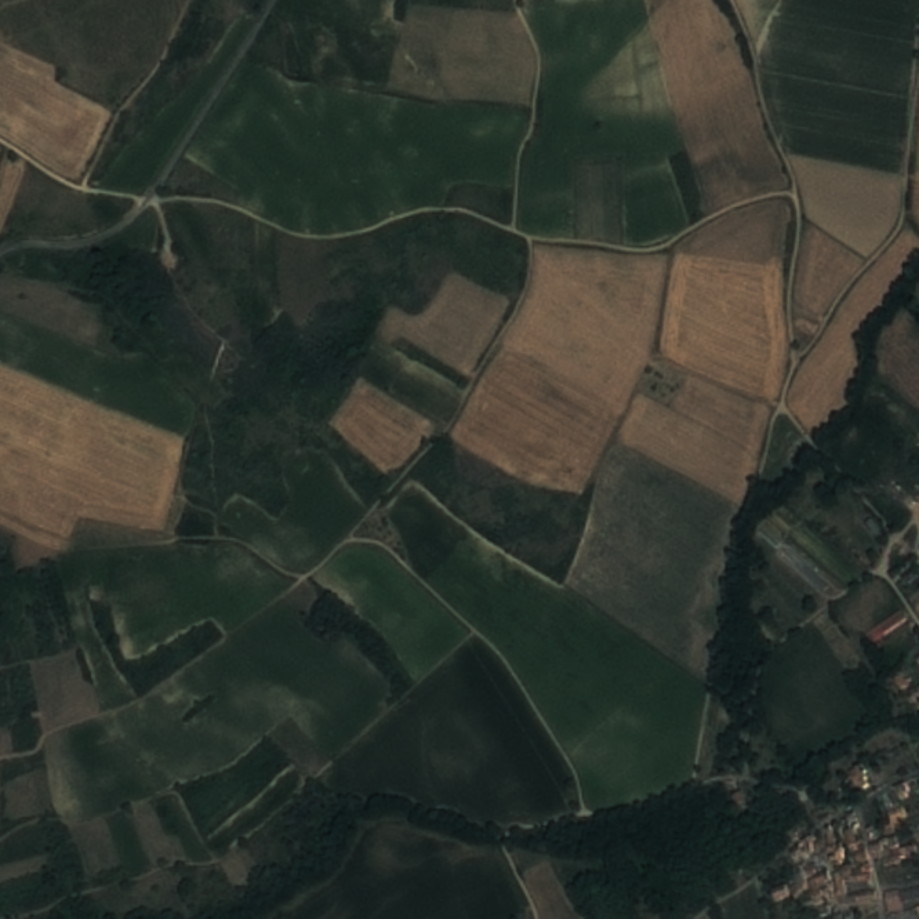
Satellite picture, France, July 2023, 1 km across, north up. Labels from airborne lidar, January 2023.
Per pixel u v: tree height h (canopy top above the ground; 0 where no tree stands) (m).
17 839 0
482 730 0
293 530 0
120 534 0
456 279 0
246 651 0
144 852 0
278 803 0
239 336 0
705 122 0
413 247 0
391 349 0
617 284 0
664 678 0
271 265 0
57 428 0
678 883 9
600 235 0
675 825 17
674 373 0
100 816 0
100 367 0
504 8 0
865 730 18
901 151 0
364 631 9
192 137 0
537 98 0
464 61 0
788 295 0
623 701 0
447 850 0
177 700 0
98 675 0
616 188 0
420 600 0
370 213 0
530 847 6
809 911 14
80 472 0
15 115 0
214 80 0
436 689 0
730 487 0
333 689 0
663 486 0
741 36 9
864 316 0
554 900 0
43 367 0
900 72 0
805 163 0
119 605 0
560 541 0
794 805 13
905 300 20
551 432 0
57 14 0
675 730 0
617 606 0
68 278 8
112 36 0
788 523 0
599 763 0
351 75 0
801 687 0
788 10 0
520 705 0
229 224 0
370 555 0
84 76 0
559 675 0
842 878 0
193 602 0
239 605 0
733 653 17
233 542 0
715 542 0
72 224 0
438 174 0
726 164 0
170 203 0
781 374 0
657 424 0
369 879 0
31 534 0
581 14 0
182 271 0
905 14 0
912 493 0
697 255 0
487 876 0
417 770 0
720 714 0
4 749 0
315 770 0
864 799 15
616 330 0
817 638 0
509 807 0
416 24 0
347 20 0
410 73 0
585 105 0
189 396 0
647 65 0
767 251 0
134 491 0
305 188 0
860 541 0
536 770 0
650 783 0
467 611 0
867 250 0
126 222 0
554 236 0
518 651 0
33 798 0
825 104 0
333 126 0
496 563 0
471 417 0
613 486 0
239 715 0
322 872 19
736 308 0
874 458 0
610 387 0
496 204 0
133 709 0
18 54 0
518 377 0
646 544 0
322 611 16
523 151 0
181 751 0
